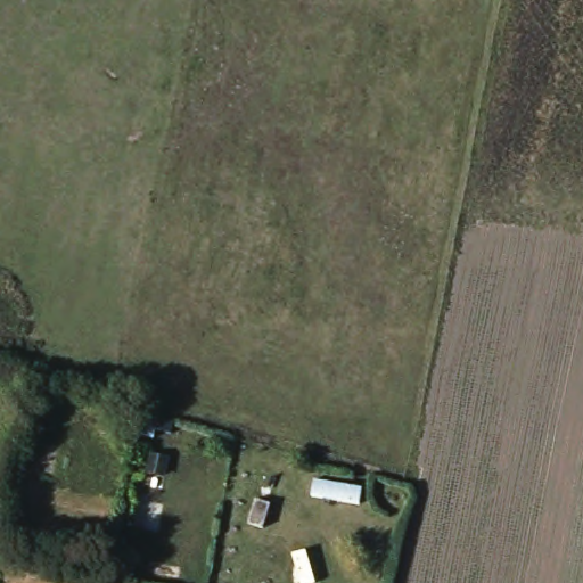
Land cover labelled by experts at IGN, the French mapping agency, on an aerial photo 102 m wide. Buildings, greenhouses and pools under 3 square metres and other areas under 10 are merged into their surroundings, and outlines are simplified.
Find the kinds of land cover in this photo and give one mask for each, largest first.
<instances>
[{"label":"herbaceous vegetation","instance_id":"1","mask_svg":"<svg viewBox=\"0 0 583 583\"><path fill-rule=\"evenodd\" d=\"M476 221L515 223L535 230H565L569 235L583 237V0H0V264L23 280V287L32 301L34 319V330L30 335L32 342H0V360L5 355H14L25 362L27 371L48 378H52L55 373L71 371L100 383L109 373H121L137 378L143 389V399L137 412L146 424L139 433V440L148 442L150 453H159L157 476L150 478V487L159 492V499L150 503V512L157 515L150 528L130 526L118 515L121 510L116 508V503L109 499L116 483L118 458L112 455L107 444L116 442V424L112 417H105L102 408L98 405L80 410L66 399L59 408L43 412L32 428L30 458L14 460L11 467V487L18 496L14 522L20 528L46 533L68 528L82 531L84 526L100 528L105 537L112 542L109 556L114 563V578L109 583H207L223 501H232V515L225 535L219 583H296L292 558L294 551L307 553L314 574L312 583H383L362 563H358L362 558V547L353 542V537L360 528H373L376 522L358 503H342L332 499L312 496L310 487L317 478L312 471L298 467L301 455L310 465L342 467L348 469L353 476L362 478L364 471L380 469L410 474L419 478L417 460L419 442L424 437L426 426V405L433 387V373L444 335V321L451 307L455 266L462 253V239L467 228ZM184 410H189L196 417L216 419L230 426L266 430L276 437V444L271 451L264 453L244 451L239 455L235 490L225 492L230 471L228 453L219 460H207L205 455H187L184 451H180V430L175 428V419ZM266 494L269 512L264 526L253 528L246 524L251 501L264 499ZM373 503L385 515H396V506L387 501L385 487L378 483L373 485Z\"/></svg>","mask_w":583,"mask_h":583},{"label":"agricultural land","instance_id":"2","mask_svg":"<svg viewBox=\"0 0 583 583\"><path fill-rule=\"evenodd\" d=\"M419 478L412 487L414 501L405 522L401 553L392 583H583V237L569 235L565 230H535L515 223L476 221L467 228L462 239V253L455 266L451 307L444 321V335L433 373V387L426 405V426L424 437L419 442L417 460Z\"/></svg>","mask_w":583,"mask_h":583},{"label":"brushwood","instance_id":"3","mask_svg":"<svg viewBox=\"0 0 583 583\"><path fill-rule=\"evenodd\" d=\"M34 330V319L32 301L23 287V280L0 264V342H32L30 335ZM66 399L80 410L98 405L102 408L105 417H112L116 424V442L107 444L112 455L118 458L116 483L109 499L116 503V508L121 510L118 515L130 526L150 528L157 515L150 512V503L159 499V492L150 487V478L157 476L159 453H150L148 442L139 440V433L146 424L137 412L143 399V389L137 378L121 373H109L100 383L71 371L55 373L52 378H48L27 371L25 362L14 355H5L0 360V556L16 551V556L27 567V574L39 576L43 583H109L114 578V563L109 556L112 542L105 537L100 528L84 526L82 531L68 528L46 533L20 528L14 522L18 496L11 487V467L14 460L30 458L32 428L43 412L59 408ZM175 428L180 430V451H184L187 455H205L207 460H219L228 453L230 471L225 492L235 490L239 455L244 451L264 453L271 451L276 444V437L266 430L230 426L216 419L196 417L189 410H184L175 419ZM298 467L312 471L317 478L358 485V503L376 522L373 528H360L353 537V542L362 547V558L358 563H362L383 583H392L401 553L405 522L414 501L412 487L419 478L410 474L380 469L364 471L362 478L353 476L348 469L342 467L310 465L301 455ZM378 483L385 487L387 501L396 506V515H385L373 503V485ZM232 515V501H223L207 583H219L225 535Z\"/></svg>","mask_w":583,"mask_h":583},{"label":"building","instance_id":"4","mask_svg":"<svg viewBox=\"0 0 583 583\"><path fill-rule=\"evenodd\" d=\"M312 496L332 499L342 503H358V485L317 478L310 487ZM269 512L266 494L264 499L251 501L246 524L253 528L264 526ZM292 558L296 583H312L314 574L307 553L294 551Z\"/></svg>","mask_w":583,"mask_h":583},{"label":"deciduous trees","instance_id":"5","mask_svg":"<svg viewBox=\"0 0 583 583\"><path fill-rule=\"evenodd\" d=\"M0 583H43L39 576L27 574V567L16 556V551L0 556Z\"/></svg>","mask_w":583,"mask_h":583}]
</instances>
